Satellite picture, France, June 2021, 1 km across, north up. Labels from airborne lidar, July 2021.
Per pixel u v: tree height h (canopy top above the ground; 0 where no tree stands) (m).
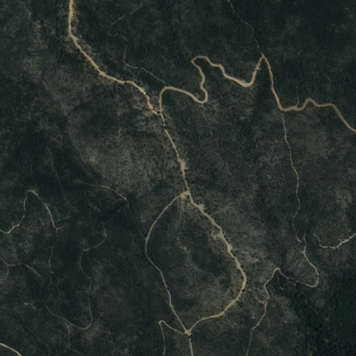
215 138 6
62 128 8
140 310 9
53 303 7
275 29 7
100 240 6
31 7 7
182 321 0
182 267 0
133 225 8
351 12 6
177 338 0
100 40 7
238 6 8
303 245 11
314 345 7
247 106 7
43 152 8
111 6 6
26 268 7
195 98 0
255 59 7
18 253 7
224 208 0
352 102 7
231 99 0
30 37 0
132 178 0
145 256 7
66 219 6
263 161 6
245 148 7
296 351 15
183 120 7
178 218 0
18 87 6
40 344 6
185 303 7
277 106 0
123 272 8
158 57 8
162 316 0
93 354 6
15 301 6
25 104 7
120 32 11
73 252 6
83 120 0
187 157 8
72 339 6
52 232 8
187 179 9
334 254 9
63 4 10
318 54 6
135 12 6
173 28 10
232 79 0
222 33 6
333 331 15
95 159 0
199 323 0
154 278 0
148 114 0
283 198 7
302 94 8
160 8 6
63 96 0
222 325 0
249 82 6
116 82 9
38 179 7
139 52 8
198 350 0
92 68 8
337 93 8
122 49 7
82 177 6
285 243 0
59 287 7
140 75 6
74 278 6
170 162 0
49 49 11
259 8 11
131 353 6
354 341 11
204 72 9
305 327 10
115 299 0
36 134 8
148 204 0
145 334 8
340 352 13
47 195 6
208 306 0
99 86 8
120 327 5
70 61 11
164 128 7
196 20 0
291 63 8
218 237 0
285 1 7
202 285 0
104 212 9
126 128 6
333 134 0
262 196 8
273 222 6
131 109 8
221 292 0
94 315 6
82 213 6
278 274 6
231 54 7
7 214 7
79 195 7
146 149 0
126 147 0
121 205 9
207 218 10
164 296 0
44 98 0
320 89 8
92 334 0
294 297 7
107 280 0
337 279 12
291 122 0
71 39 9
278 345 7
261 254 0
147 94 10
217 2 0
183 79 7
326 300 12
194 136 7
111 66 6
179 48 8
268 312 0
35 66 0
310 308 8
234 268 8
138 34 8
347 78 6
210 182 10
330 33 7
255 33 7
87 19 6
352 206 6
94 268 0
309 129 0
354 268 8
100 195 10
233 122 9
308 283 9
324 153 0
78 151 0
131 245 0
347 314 6
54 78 0
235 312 0
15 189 6
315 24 5
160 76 8
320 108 6
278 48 0
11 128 6
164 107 0
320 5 7
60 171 8
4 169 7
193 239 6
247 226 0
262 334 0
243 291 8
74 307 6
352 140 8
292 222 10
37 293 7
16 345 6
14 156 9
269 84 13
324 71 7
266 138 5
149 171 0
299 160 0
